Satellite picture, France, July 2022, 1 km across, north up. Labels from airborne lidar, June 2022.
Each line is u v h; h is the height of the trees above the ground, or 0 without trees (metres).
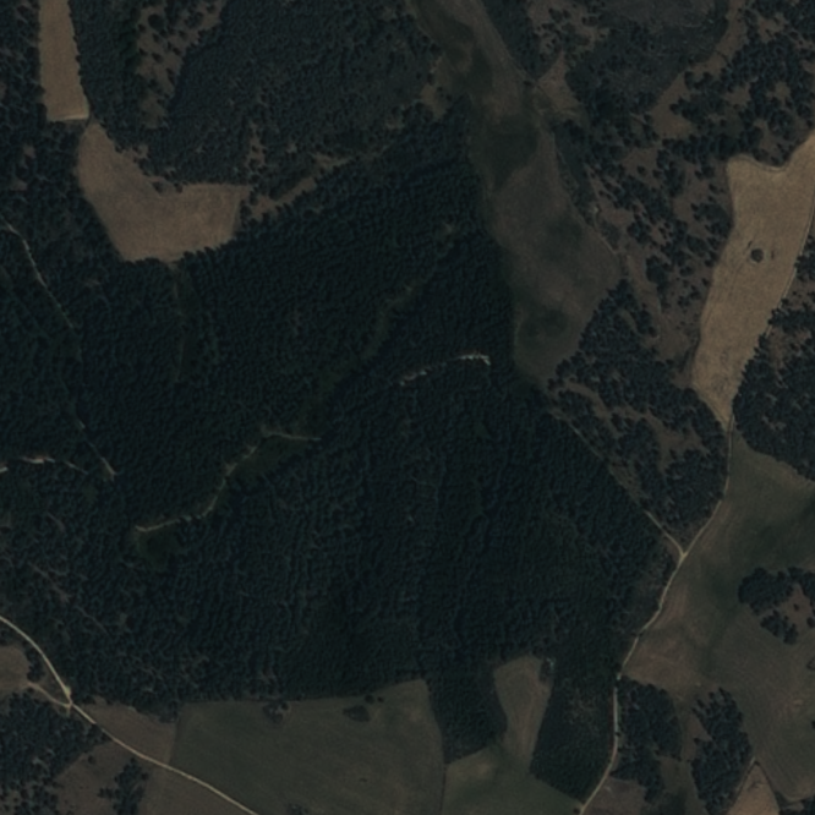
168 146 20
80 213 22
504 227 0
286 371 28
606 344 19
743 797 0
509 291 19
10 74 7
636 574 21
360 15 16
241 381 22
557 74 0
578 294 0
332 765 0
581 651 8
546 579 10
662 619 0
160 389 22
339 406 28
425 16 0
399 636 8
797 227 0
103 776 0
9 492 9
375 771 0
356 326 29
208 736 0
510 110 0
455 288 24
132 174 0
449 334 15
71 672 8
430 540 20
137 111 17
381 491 22
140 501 33
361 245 26
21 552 16
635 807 0
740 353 0
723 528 0
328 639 10
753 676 0
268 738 0
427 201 25
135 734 0
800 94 18
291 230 19
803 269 15
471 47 0
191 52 13
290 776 0
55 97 0
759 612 11
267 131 10
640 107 15
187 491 32
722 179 0
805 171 0
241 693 19
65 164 18
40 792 8
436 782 0
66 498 28
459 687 10
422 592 21
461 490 30
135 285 26
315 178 0
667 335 0
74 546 19
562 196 0
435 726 0
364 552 24
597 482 23
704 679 0
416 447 19
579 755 7
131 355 31
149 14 0
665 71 0
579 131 18
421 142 12
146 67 0
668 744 22
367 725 0
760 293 0
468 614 31
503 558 31
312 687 11
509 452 22
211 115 14
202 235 0
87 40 9
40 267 9
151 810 0
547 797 0
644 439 16
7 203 22
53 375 32
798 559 0
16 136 18
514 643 16
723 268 0
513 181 0
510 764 0
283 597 18
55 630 6
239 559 26
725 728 11
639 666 0
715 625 0
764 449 12
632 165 0
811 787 0
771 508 0
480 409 28
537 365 0
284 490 22
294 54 18
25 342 39
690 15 0
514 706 0
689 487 15
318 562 19
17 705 12
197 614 24
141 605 27
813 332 16
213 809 0
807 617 0
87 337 20
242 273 31
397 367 18
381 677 13
